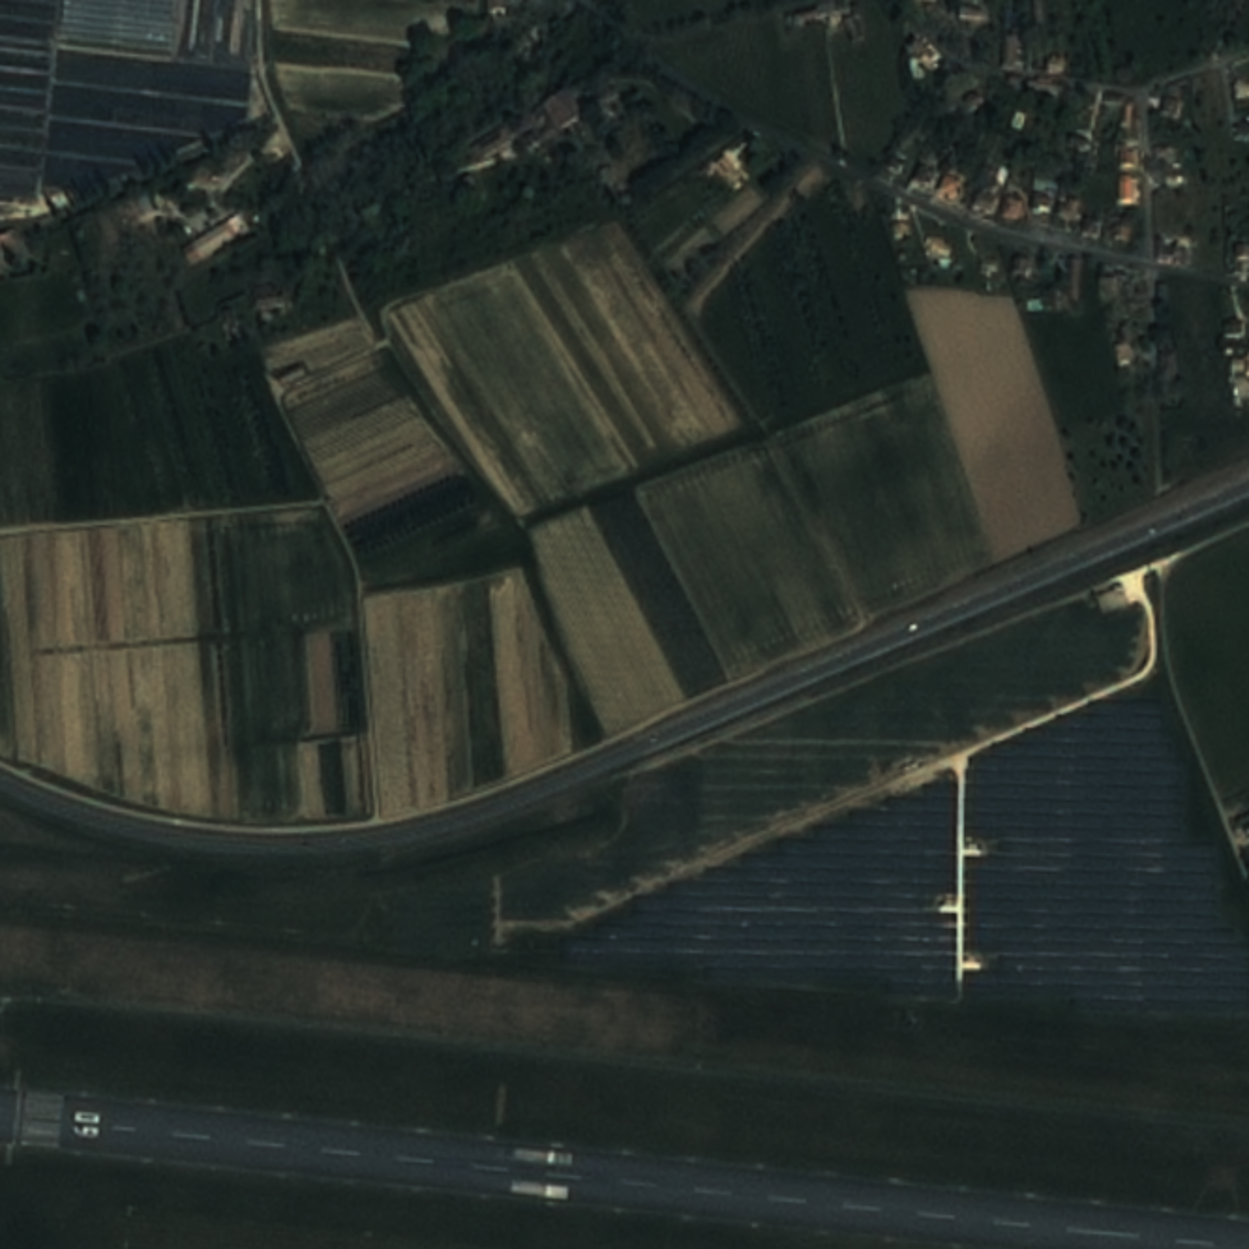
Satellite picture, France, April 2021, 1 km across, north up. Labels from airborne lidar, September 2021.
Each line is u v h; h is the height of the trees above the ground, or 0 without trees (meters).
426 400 0
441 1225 0
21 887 0
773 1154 0
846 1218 0
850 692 0
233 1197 0
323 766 0
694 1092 0
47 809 0
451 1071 0
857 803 0
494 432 0
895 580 0
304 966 0
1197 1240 0
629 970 0
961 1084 0
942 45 7
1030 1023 0
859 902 0
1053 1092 0
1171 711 0
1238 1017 0
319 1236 0
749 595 0
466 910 0
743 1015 0
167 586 0
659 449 0
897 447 0
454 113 22
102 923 0
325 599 0
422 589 0
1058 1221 0
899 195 0
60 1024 0
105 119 0
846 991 0
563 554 0
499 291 0
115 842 0
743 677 0
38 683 0
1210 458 0
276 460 6
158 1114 0
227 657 0
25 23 0
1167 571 0
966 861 0
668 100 15
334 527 0
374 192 20
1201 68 9
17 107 0
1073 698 0
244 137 17
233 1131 0
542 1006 0
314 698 0
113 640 0
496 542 0
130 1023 0
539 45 6
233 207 10
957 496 0
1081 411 0
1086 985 0
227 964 0
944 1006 0
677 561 0
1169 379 14
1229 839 0
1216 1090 0
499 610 0
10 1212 0
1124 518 0
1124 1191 0
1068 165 14
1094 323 0
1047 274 8
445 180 13
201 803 0
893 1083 0
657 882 0
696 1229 0
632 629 0
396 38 0
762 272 0
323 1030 0
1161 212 0
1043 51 18
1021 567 0
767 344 7
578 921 0
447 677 0
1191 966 0
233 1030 0
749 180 0
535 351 0
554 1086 0
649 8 0
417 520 6
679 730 0
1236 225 9
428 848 0
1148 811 0
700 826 0
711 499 0
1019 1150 0
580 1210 0
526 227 0
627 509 6
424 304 0
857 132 0
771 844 0
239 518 0
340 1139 0
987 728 0
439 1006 0
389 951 0
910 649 0
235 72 0
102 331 7
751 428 0
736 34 0
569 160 17
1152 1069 0
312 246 17
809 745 0
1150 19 0
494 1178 0
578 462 0
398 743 0
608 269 0
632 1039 0
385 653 0
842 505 0
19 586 0
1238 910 0
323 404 0
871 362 0
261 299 0
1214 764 0
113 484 0
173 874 0
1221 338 7
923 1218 0
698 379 0
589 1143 0
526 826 0
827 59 0
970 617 0
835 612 0
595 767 0
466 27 21
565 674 0
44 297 0
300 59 0
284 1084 0
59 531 0
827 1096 0
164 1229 0
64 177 0
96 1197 0
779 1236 0
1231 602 0
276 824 0
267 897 0
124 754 0
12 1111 0
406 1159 0
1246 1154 0
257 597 0
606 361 0
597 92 11
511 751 0
